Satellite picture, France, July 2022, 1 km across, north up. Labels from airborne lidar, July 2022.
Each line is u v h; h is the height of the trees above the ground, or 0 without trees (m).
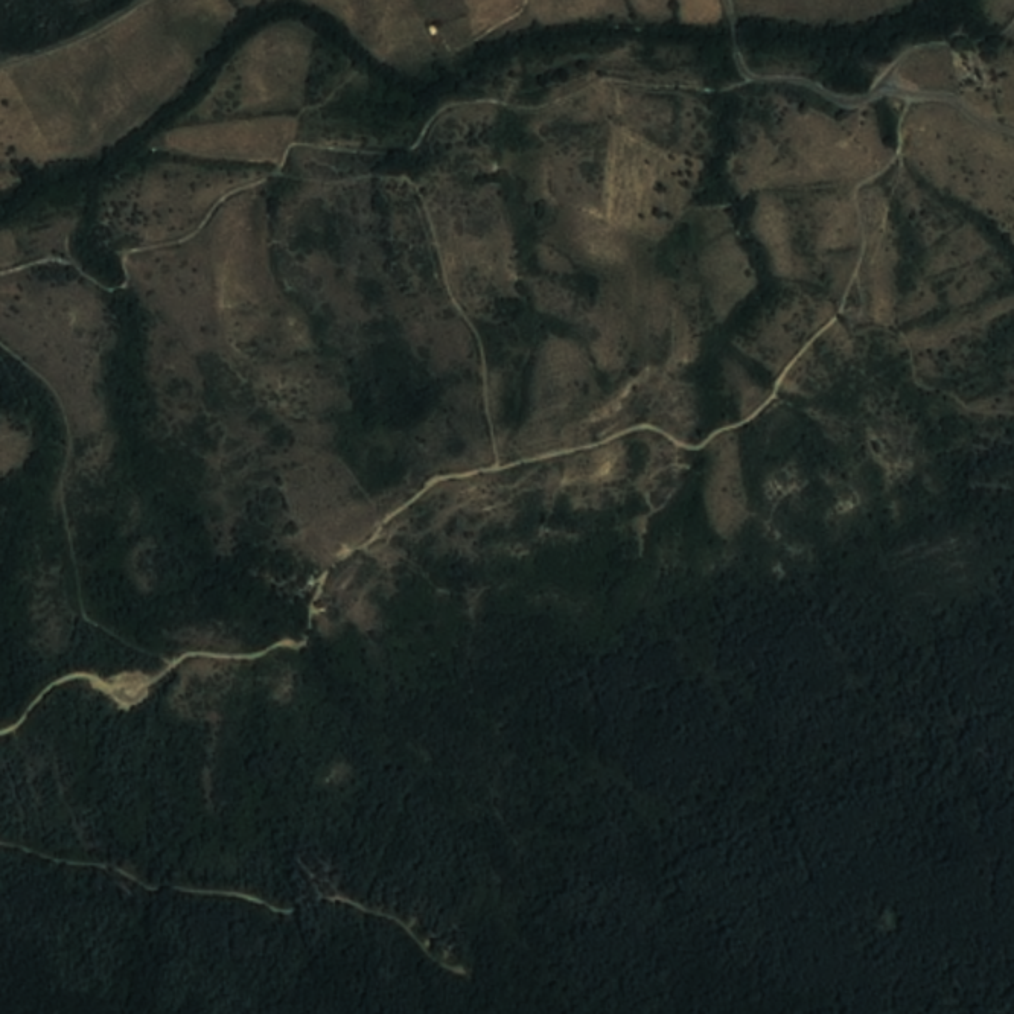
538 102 0
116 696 0
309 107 0
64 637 0
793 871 17
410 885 15
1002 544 9
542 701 10
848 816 20
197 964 10
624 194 0
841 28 10
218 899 6
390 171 11
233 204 0
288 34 0
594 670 13
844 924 19
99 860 6
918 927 19
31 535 8
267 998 10
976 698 15
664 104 0
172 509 6
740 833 14
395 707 7
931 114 0
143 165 8
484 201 0
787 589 10
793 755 14
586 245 0
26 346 0
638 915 19
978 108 0
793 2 0
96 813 9
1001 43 10
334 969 13
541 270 0
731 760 14
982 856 17
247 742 10
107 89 0
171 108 14
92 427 0
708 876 20
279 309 0
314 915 17
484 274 0
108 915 12
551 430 0
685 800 10
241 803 11
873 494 0
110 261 7
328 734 7
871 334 0
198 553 8
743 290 0
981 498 9
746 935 17
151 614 8
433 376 0
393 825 11
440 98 8
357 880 13
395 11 0
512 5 0
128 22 0
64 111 0
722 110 11
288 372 0
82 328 0
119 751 16
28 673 12
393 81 17
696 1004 11
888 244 0
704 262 0
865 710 10
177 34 0
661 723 12
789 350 0
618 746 10
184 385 0
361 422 7
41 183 19
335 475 0
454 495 0
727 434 0
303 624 9
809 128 0
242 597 17
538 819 10
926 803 19
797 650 17
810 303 0
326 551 0
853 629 12
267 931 10
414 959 11
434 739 8
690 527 6
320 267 0
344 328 0
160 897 14
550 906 13
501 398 0
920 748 14
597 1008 9
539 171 0
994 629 11
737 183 0
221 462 0
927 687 9
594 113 0
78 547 0
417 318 0
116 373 11
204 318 0
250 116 9
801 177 0
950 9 9
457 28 0
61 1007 10
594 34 10
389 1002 13
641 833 6
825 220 0
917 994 19
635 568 6
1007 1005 20
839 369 0
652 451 0
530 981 9
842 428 0
